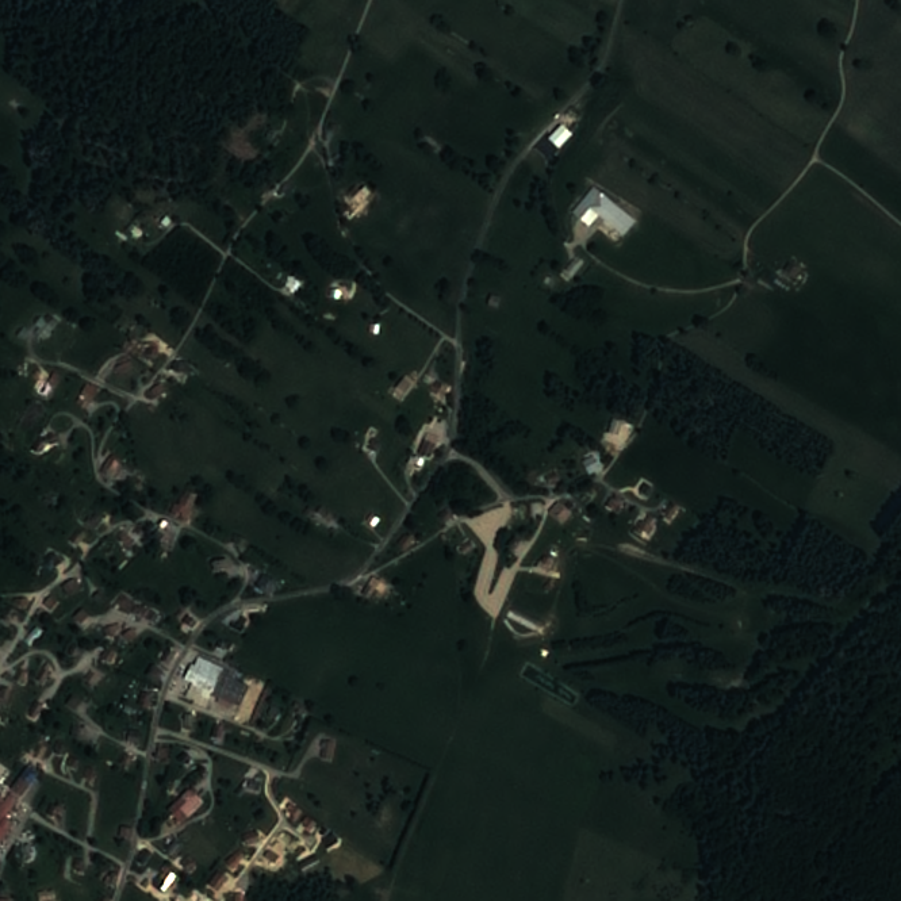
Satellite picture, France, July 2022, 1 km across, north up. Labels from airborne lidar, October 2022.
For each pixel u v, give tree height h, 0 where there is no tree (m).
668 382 26
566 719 0
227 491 0
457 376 0
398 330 0
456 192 0
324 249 19
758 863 32
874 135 0
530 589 0
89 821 0
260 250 15
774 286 0
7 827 0
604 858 0
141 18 23
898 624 26
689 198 0
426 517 0
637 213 0
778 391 0
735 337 0
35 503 0
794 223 0
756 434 20
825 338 0
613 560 0
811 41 0
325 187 0
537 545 0
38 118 0
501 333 0
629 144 0
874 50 0
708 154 0
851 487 0
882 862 30
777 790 30
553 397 22
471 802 0
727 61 0
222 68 22
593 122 0
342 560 0
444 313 0
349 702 0
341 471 0
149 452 0
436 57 0
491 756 0
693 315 0
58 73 17
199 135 19
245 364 12
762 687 16
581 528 0
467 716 0
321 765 0
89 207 26
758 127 0
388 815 0
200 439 0
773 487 0
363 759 0
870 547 0
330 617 0
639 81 0
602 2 0
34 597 0
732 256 0
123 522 0
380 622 0
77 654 0
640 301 0
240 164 15
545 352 0
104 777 0
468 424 8
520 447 0
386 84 0
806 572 20
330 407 0
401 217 0
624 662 16
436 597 0
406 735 0
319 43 0
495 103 0
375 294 18
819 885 19
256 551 11
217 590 0
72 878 0
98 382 0
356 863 0
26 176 0
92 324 16
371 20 0
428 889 0
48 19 31
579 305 24
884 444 0
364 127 0
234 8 20
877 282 0
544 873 0
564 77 0
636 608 0
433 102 0
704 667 8
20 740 0
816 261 0
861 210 0
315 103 0
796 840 27
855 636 24
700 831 17
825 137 0
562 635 0
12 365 0
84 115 22
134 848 0
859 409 0
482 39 0
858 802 25
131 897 0
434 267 0
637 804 0
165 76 15
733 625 0
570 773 0
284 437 0
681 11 0
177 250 7
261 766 0
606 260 0
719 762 26
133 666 0
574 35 0
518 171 0
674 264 0
